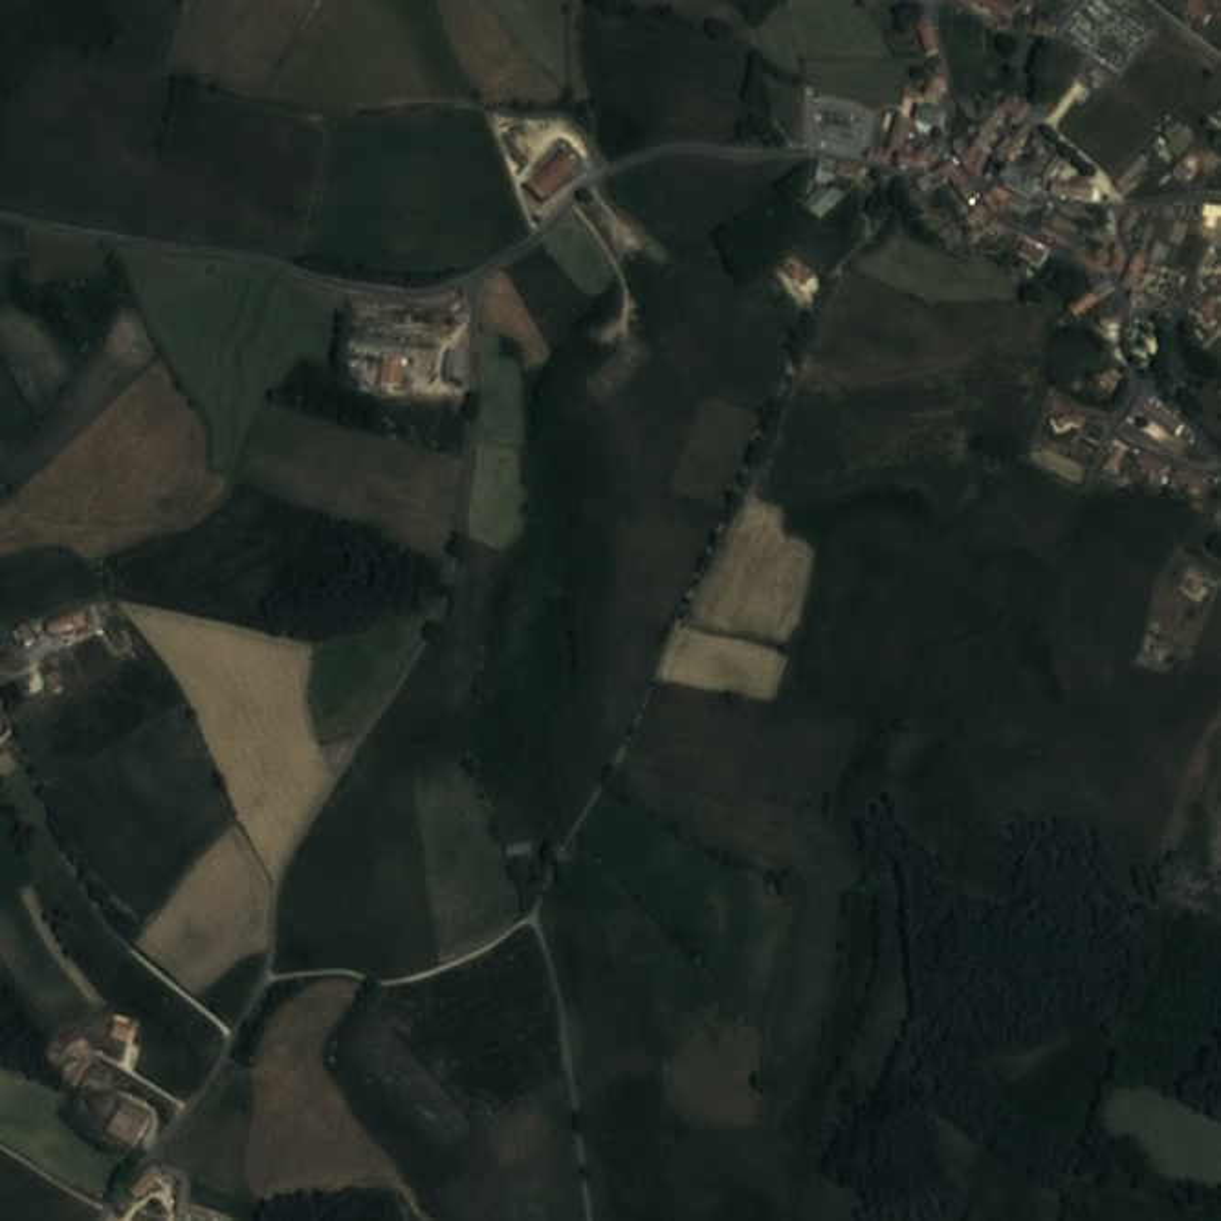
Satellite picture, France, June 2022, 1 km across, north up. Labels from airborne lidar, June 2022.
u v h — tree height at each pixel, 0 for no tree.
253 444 0
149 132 0
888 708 0
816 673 0
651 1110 0
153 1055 0
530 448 0
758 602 0
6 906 0
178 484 0
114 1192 12
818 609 0
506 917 0
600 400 0
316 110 0
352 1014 0
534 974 0
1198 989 7
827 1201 0
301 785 0
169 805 0
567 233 0
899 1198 19
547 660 0
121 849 0
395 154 0
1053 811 0
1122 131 0
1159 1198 0
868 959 0
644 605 0
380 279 18
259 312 0
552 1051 0
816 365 0
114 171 0
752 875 0
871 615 0
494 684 0
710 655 0
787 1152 0
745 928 0
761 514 0
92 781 0
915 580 0
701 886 0
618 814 0
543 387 9
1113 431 0
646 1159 0
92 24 0
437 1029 0
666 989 0
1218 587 0
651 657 0
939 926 12
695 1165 0
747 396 0
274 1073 0
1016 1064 0
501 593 0
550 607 0
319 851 0
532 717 0
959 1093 24
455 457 0
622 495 0
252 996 0
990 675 0
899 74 0
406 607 10
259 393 0
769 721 0
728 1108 0
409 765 0
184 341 0
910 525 0
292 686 0
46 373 0
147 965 0
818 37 0
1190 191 0
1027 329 0
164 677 0
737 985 0
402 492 0
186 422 0
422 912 0
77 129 0
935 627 0
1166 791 0
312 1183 0
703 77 0
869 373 0
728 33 16
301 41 0
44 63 0
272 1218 19
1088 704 0
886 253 0
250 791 0
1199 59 0
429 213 0
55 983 0
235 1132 0
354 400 9
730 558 0
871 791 0
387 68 0
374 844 0
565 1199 0
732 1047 0
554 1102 0
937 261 0
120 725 0
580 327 6
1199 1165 0
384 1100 0
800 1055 0
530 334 0
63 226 0
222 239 0
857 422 0
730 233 12
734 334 0
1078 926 21
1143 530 0
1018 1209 0
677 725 0
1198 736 0
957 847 0
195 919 0
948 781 0
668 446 0
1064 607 0
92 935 0
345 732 0
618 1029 0
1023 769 0
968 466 0
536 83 0
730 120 0
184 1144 0
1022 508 0
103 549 0
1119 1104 0
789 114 0
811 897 0
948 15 0
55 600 0
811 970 0
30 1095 0
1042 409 0
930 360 0
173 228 0
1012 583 0
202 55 0
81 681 0
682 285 0
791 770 0
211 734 0
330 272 18
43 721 0
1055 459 0
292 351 0
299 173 0
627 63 0
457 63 0
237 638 0
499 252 0
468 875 0
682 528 0
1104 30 0
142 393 0
